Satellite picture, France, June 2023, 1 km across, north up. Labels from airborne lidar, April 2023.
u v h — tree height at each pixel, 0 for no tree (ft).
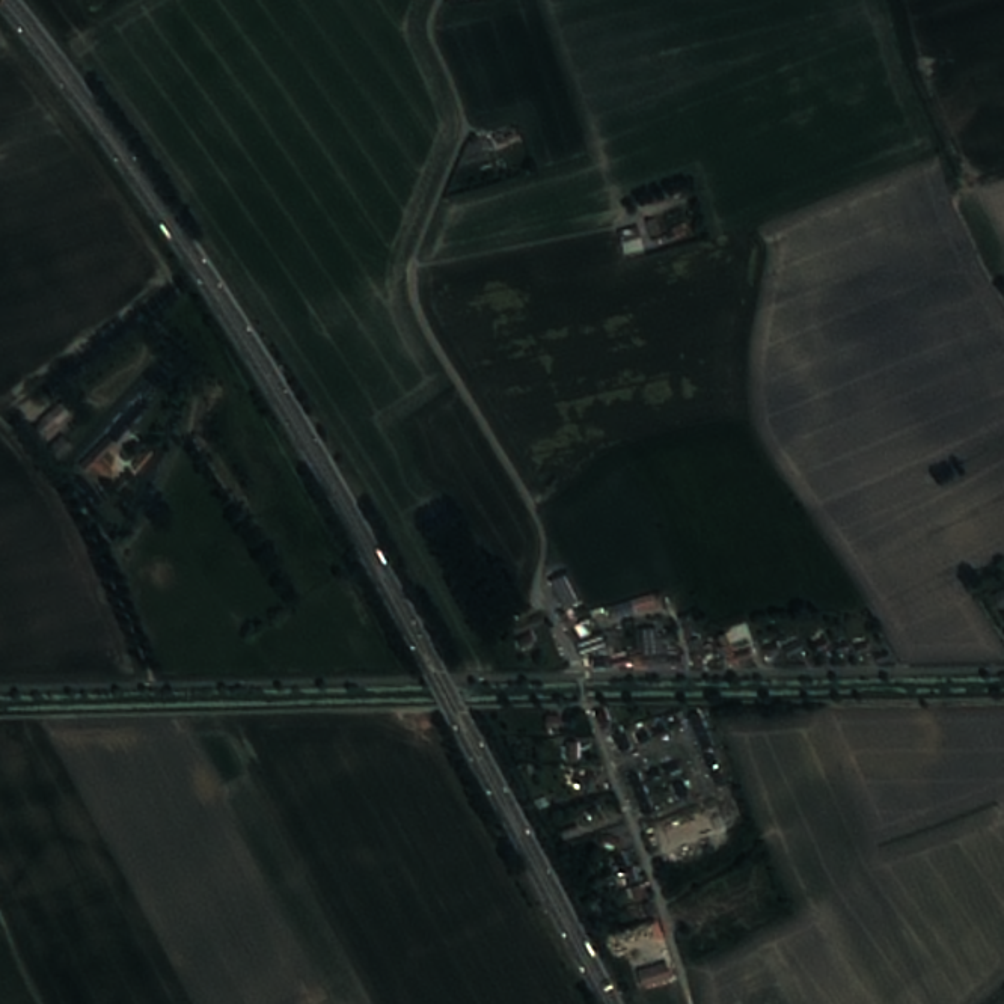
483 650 0
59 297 0
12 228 0
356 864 0
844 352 0
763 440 0
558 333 0
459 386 0
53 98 0
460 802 0
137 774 0
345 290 0
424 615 69
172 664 0
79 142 0
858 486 0
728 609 0
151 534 0
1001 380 0
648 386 0
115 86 0
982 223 0
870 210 0
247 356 0
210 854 0
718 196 0
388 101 0
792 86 0
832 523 0
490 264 0
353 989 0
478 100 0
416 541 0
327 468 0
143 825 0
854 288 0
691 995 0
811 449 0
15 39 0
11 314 0
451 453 0
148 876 0
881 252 0
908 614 0
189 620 0
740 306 0
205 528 0
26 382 0
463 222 0
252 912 0
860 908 0
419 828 0
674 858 0
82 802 0
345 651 0
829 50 0
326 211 0
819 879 0
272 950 0
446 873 0
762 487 0
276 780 0
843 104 0
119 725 0
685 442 0
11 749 0
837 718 0
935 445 0
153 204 0
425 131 0
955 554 0
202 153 0
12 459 0
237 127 0
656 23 0
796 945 0
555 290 0
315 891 0
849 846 0
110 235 0
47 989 0
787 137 0
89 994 0
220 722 0
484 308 0
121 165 0
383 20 0
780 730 0
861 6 0
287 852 0
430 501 0
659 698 0
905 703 0
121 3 0
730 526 0
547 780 0
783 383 0
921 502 0
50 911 0
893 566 0
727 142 0
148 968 0
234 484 0
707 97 0
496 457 0
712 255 0
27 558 0
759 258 0
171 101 0
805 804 0
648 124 0
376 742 0
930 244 0
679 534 0
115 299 0
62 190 0
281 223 0
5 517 0
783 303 0
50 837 0
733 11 0
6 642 0
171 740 0
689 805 0
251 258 0
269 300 0
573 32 0
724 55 0
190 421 0
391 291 0
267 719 0
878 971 0
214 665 0
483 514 0
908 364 0
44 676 0
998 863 0
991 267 0
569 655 0
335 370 0
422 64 0
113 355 68
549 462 0
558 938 0
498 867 0
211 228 0
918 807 0
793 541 0
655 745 0
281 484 0
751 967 0
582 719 27
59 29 0
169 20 0
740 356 0
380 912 0
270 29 0
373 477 0
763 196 0
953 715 0
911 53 0
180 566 0
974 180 0
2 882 0
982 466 0
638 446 0
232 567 0
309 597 0
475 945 0
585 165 0
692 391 0
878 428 0
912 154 0
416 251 0
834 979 0
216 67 0
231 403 0
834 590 0
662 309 0
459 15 0
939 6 0
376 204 0
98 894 0
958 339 0
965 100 0
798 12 0
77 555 0
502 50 0
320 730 0
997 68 0
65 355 0
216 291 0
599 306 0
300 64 0
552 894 0
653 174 0
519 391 0
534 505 0
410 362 0
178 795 0
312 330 0
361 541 0
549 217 0
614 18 0
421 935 0
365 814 0
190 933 0
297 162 0
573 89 0
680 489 0
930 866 0
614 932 17
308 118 0
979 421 0
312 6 0
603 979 0
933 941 0
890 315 0
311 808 0
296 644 0
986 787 0
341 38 0
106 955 0
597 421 0
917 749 0
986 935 0
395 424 0
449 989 0
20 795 0
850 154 0
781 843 0
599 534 0
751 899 0
